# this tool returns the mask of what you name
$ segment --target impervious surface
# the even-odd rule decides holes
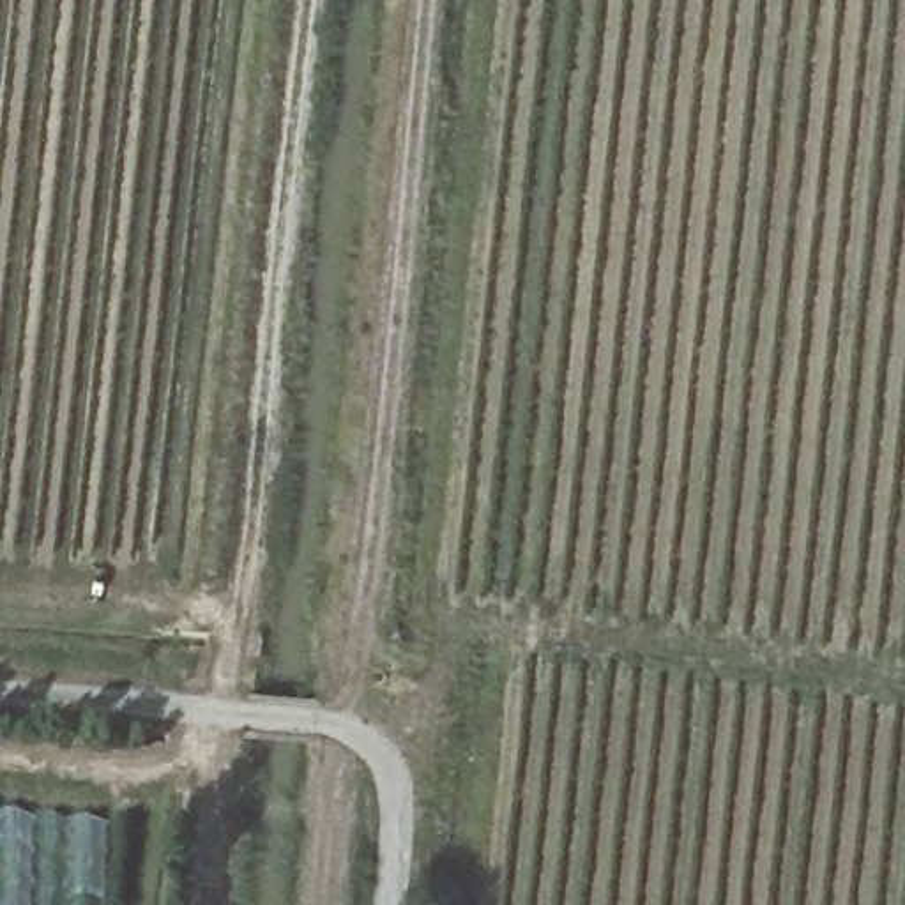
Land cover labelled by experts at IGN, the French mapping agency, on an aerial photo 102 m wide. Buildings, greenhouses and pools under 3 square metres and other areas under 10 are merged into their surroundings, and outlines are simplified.
[[[173,689],[166,700],[163,714],[180,711],[180,718],[191,725],[247,725],[265,732],[300,732],[332,735],[357,749],[368,764],[378,785],[382,810],[378,841],[375,905],[403,905],[414,856],[414,781],[399,746],[378,725],[364,725],[357,714],[325,711],[311,700],[290,700],[258,696],[212,700]]]

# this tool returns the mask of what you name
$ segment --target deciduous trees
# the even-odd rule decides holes
[[[332,120],[332,53],[343,0],[322,0],[311,124],[304,138],[304,166],[308,177],[315,177],[318,156],[325,148],[325,131]]]
[[[106,820],[106,894],[99,894],[103,905],[124,905],[127,810],[113,806]]]
[[[283,449],[265,516],[265,559],[283,569],[293,513],[293,414],[279,410]]]
[[[286,290],[279,346],[283,389],[300,385],[308,336],[304,293],[293,286]]]
[[[339,290],[329,325],[329,403],[336,407],[346,396],[346,361],[354,346],[354,297]]]
[[[110,806],[110,785],[53,771],[0,771],[0,905],[18,905],[18,813],[95,813],[95,806]]]
[[[308,845],[308,746],[300,742],[290,742],[279,905],[297,905],[300,863]]]
[[[332,516],[318,506],[311,527],[315,562],[300,601],[304,633],[315,622],[322,622],[329,594],[329,562],[318,551],[329,544]]]
[[[368,834],[354,845],[350,905],[375,905],[378,841]]]
[[[166,778],[131,785],[131,806],[148,810],[138,905],[180,905],[184,827],[170,817],[170,799],[177,795]]]
[[[0,742],[53,742],[64,749],[95,753],[145,749],[152,742],[163,742],[166,732],[177,732],[180,718],[180,711],[163,714],[166,700],[159,693],[148,693],[145,686],[131,686],[131,679],[141,672],[148,658],[145,640],[127,633],[74,633],[57,626],[53,636],[25,643],[7,665],[0,665]],[[110,682],[99,696],[57,703],[49,696],[49,686],[60,682],[67,672],[103,672]]]

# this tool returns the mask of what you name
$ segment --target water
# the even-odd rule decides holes
[[[272,778],[265,788],[269,848],[258,856],[251,870],[251,905],[279,905],[290,742],[300,742],[300,732],[265,732],[265,739],[272,746]]]
[[[293,414],[293,513],[283,569],[276,587],[276,612],[269,622],[276,629],[279,650],[265,658],[269,679],[255,682],[258,696],[290,700],[304,654],[304,633],[300,601],[315,562],[311,527],[318,506],[315,467],[325,445],[329,403],[329,325],[339,290],[343,219],[357,156],[357,117],[364,103],[364,0],[343,0],[332,53],[332,120],[325,131],[325,148],[318,156],[315,177],[311,276],[304,293],[308,336],[300,385],[283,389],[279,410]]]

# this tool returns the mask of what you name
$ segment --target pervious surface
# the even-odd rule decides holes
[[[300,742],[308,746],[308,845],[300,863],[297,905],[350,905],[354,845],[357,792],[346,788],[346,774],[368,764],[357,749],[332,735],[300,732]]]
[[[382,590],[382,573],[389,566],[385,544],[392,516],[392,460],[396,438],[407,435],[403,396],[410,371],[417,223],[424,216],[421,177],[428,141],[428,103],[431,88],[438,85],[438,0],[414,0],[410,81],[396,134],[396,194],[389,205],[389,265],[385,276],[371,279],[371,290],[378,293],[382,378],[371,481],[364,506],[364,544],[361,562],[346,566],[343,576],[350,590],[350,629],[361,633],[364,643],[378,640],[375,601]]]
[[[230,771],[244,742],[265,739],[265,732],[247,725],[191,725],[180,718],[177,732],[166,732],[163,742],[152,742],[145,749],[95,753],[64,749],[53,742],[0,742],[0,771],[53,771],[110,785],[131,785],[166,778],[177,795],[191,802],[191,795],[205,781]]]

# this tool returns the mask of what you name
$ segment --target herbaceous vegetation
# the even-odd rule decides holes
[[[131,806],[131,785],[110,785],[110,806],[95,806],[95,813],[18,813],[18,905],[103,905],[99,894],[106,894],[106,820],[113,806],[127,810],[124,905],[138,905],[148,810]]]
[[[346,788],[357,792],[354,845],[368,834],[378,841],[382,810],[378,785],[368,764],[346,774]]]
[[[205,781],[191,795],[191,802],[177,795],[170,799],[170,817],[184,827],[180,905],[251,905],[251,870],[258,856],[269,848],[265,788],[272,778],[272,746],[265,739],[244,742],[230,771]]]

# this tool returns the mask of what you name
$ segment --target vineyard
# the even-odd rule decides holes
[[[410,371],[403,396],[407,435],[396,438],[392,460],[392,516],[385,544],[389,566],[382,573],[382,590],[375,601],[378,640],[364,643],[361,633],[350,629],[350,590],[343,576],[346,566],[361,562],[364,544],[364,506],[371,481],[382,378],[378,293],[371,290],[371,279],[385,276],[389,265],[389,205],[396,194],[396,134],[410,81],[414,0],[364,0],[364,103],[357,117],[357,156],[343,219],[339,290],[354,297],[354,346],[346,361],[346,396],[336,407],[329,403],[325,445],[315,467],[318,506],[332,516],[329,544],[318,551],[329,562],[329,594],[322,622],[315,622],[304,633],[304,654],[290,700],[311,700],[325,711],[357,714],[364,725],[378,725],[399,746],[414,781],[414,856],[403,905],[905,905],[905,0],[438,0],[438,85],[431,88],[428,103],[428,141],[421,177],[424,216],[417,223]]]
[[[49,696],[57,703],[99,696],[110,682],[103,672],[67,672],[60,682],[49,686]]]
[[[293,286],[304,293],[311,276],[315,177],[308,177],[304,166],[304,138],[311,124],[322,0],[0,0],[0,665],[7,665],[25,643],[53,636],[57,626],[74,633],[127,633],[145,640],[148,658],[141,672],[131,679],[131,686],[145,686],[148,693],[159,693],[166,700],[173,689],[212,700],[258,696],[255,682],[269,679],[265,658],[279,650],[276,629],[269,622],[276,612],[276,587],[283,569],[265,559],[265,516],[283,449],[279,410],[283,389],[279,346],[286,290]]]

